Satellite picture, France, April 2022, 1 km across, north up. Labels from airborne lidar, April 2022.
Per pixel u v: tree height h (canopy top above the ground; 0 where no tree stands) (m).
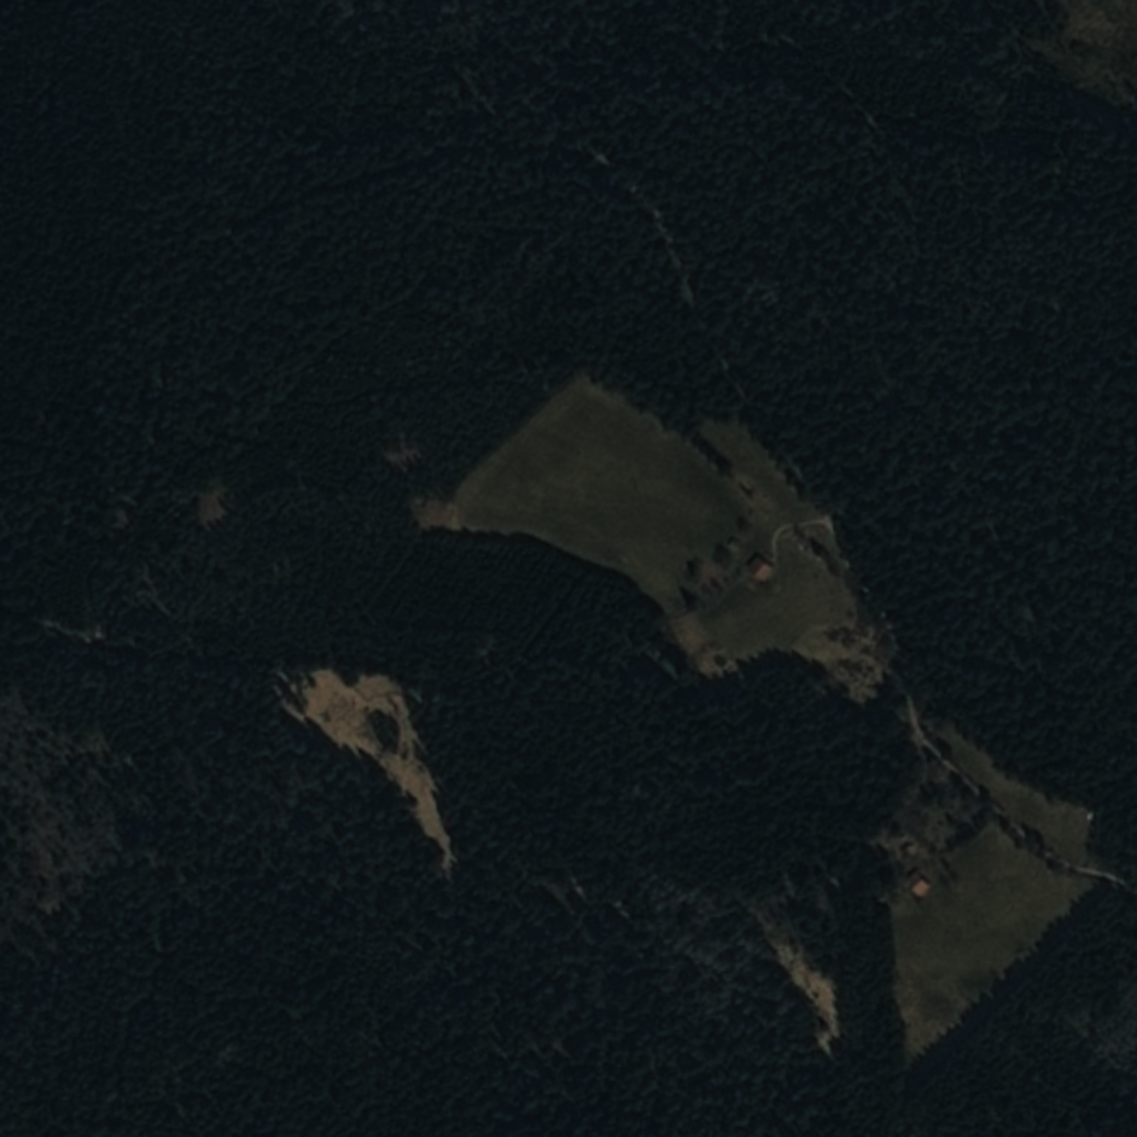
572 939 26
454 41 19
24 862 12
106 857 9
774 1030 12
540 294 18
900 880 18
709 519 0
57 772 10
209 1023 23
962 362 33
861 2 15
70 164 26
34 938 14
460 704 18
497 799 28
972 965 0
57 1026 20
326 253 28
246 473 14
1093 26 0
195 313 26
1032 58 7
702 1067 34
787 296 29
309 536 24
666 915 29
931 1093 25
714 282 24
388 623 22
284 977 17
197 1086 20
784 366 31
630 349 23
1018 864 0
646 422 0
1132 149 34
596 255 32
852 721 21
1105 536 29
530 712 18
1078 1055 28
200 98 23
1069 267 31
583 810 32
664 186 33
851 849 14
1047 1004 24
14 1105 25
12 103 24
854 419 27
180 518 12
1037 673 30
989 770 0
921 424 30
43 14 21
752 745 20
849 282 35
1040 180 35
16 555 31
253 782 19
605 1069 27
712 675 0
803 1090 30
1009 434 11
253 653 16
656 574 0
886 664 0
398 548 20
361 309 28
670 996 23
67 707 20
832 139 36
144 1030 25
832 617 0
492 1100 26
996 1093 22
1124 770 31
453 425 23
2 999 11
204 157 14
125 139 24
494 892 30
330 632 22
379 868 28
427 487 25
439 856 17
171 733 26
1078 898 0
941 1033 0
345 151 28
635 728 26
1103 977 25
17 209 29
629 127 29
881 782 25
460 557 13
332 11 9
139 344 33
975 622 28
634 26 14
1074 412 33
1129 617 15
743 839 20
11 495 35
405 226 32
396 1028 24
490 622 17
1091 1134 8
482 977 11
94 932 28
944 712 14
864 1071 24
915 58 15
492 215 28
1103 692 29
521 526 0
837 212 13
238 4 22
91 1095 25
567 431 0
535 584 13
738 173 34
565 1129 19
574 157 35
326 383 14
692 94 29
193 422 28
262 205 28
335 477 13
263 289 29
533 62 15
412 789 0
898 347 33
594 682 26
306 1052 21
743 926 23
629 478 0
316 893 9
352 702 0
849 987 17
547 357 21
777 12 12
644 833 36
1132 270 23
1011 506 31
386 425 11
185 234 32
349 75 10
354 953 18
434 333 15
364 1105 24
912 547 35
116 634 29
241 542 26
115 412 25
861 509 17
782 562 0
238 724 26
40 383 24
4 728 16
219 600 26
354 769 23
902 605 18
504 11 33
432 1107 22
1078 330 22
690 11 14
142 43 25
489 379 15
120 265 22
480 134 33
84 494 23
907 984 0
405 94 16
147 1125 15
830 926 10
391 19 14
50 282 26
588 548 0
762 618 0
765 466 0
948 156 29
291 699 24
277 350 29
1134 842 25
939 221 35
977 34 12
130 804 12
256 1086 23
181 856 26
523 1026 26
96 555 15
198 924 21
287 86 19
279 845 20
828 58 16
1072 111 22
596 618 23
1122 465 23
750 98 31
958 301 33
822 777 22
